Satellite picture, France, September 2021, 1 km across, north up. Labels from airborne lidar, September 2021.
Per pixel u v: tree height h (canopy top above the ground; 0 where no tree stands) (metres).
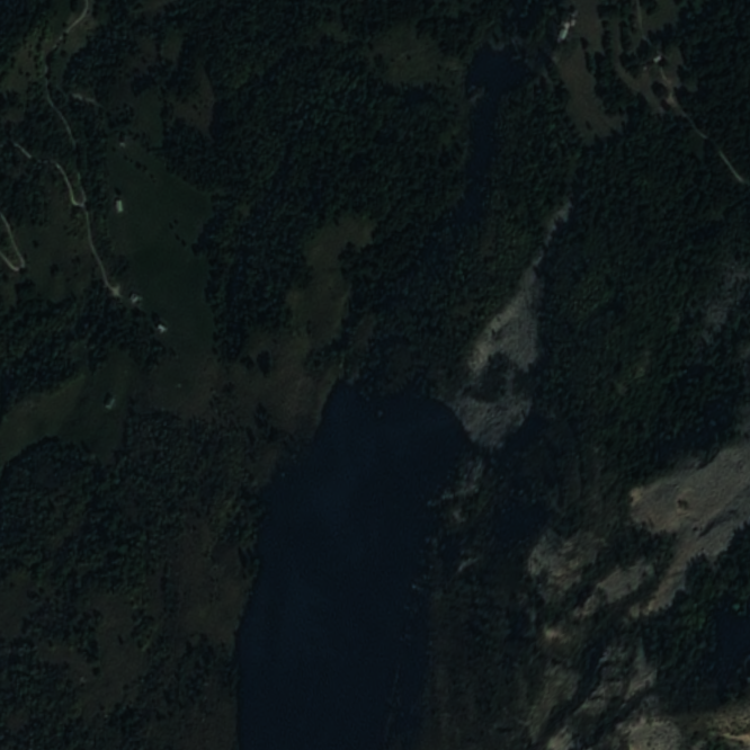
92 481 5
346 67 7
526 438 0
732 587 11
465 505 6
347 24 11
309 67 9
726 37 14
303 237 10
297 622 0
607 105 20
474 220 8
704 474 0
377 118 15
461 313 0
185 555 0
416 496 8
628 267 10
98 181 10
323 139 15
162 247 0
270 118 15
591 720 0
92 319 8
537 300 0
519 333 0
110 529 10
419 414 0
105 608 0
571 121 17
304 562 0
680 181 18
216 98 8
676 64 0
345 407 0
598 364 8
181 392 0
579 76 0
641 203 24
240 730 0
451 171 9
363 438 0
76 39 0
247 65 12
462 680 0
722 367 18
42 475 6
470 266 9
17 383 11
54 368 13
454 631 0
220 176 15
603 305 10
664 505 0
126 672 0
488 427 0
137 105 0
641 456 15
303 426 0
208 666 11
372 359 6
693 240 19
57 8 7
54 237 0
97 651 14
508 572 0
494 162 14
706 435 11
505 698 0
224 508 8
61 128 8
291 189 11
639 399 13
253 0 13
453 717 0
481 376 0
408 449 0
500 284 8
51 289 0
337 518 0
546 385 8
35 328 9
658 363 12
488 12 8
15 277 0
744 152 10
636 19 10
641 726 0
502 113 15
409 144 14
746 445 0
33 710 7
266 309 13
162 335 0
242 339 12
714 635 9
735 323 15
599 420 7
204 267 0
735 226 7
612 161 17
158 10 0
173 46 0
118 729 10
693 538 0
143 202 0
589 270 18
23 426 0
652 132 15
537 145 14
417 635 0
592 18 0
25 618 0
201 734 0
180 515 6
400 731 0
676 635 9
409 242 10
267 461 0
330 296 0
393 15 12
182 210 0
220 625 0
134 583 7
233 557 0
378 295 7
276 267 13
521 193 17
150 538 7
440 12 8
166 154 8
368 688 0
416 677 0
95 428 0
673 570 0
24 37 7
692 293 8
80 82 6
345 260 9
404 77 0
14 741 6
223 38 11
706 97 21
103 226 6
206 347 0
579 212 16
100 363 11
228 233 7
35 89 9
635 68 19
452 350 6
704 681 7
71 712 6
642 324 11
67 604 6
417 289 8
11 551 12
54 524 9
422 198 18
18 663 10
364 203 14
